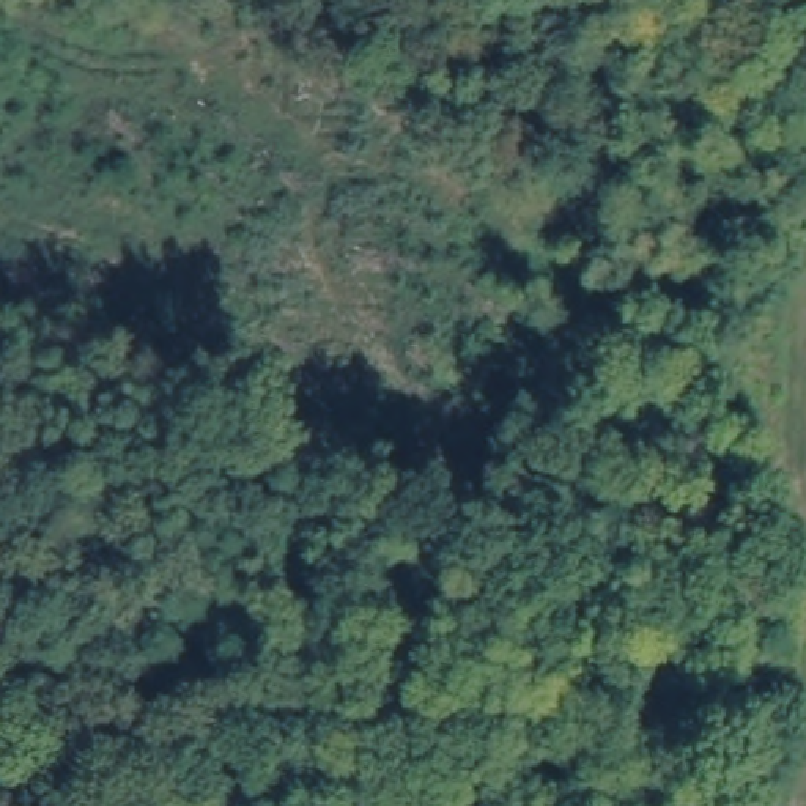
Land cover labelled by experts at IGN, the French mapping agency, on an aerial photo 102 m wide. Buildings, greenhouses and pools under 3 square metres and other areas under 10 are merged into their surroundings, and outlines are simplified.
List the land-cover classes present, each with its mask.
<instances>
[{"label":"deciduous trees","instance_id":"1","mask_svg":"<svg viewBox=\"0 0 806 806\"><path fill-rule=\"evenodd\" d=\"M173 9V19H202L208 25L239 22V28H246L252 38H274L277 47L309 54L321 66L324 88L356 98L368 110H375L394 135L412 145V161L428 164L431 179L457 173V183L469 186L479 202L497 205L504 211L494 230L532 261V283L516 287L523 305L504 318L501 340L516 359V375H529L526 394L516 397L513 412L504 425L497 419L482 422L469 428L466 444H457L447 453L425 441L368 447L365 438H359V419L327 416L318 406L312 384L296 368H283L271 356H236L230 324L217 337H208L195 353L167 346L135 331L98 343L88 331L76 324V318L85 315V305L66 302L60 305V321H38L28 331V324L9 305L13 296L0 290V806H806V523L800 516L803 491L793 485V479L787 472L768 475V453L778 447V441L771 438V425L765 419L775 409L787 406L781 378H787L790 359L787 305L793 302L803 283L806 264V0H164Z\"/></svg>","mask_w":806,"mask_h":806},{"label":"brushwood","instance_id":"2","mask_svg":"<svg viewBox=\"0 0 806 806\"><path fill-rule=\"evenodd\" d=\"M504 211L497 205L479 202L469 186L457 183V173L431 179L428 164L412 161V145L394 135L375 110H368L356 98L324 88L321 66L309 54L277 47L274 38H252L246 28H239V22L208 25L202 19H173V9L164 0H0V290L13 296L9 305L28 324V331L38 321H60V305L66 302L85 305V315L76 318V324L88 331L98 343L135 331L167 346L195 353L208 337H217L230 324L236 356H271L283 368H296L312 384L318 406L327 416L359 419V438H365L368 447L425 441L447 453L457 444H466L469 428L482 422L497 419L504 425L513 412L516 397L526 394L529 375H516V359L501 340L504 318L523 305L516 287L532 283V261L494 230Z\"/></svg>","mask_w":806,"mask_h":806},{"label":"herbaceous vegetation","instance_id":"3","mask_svg":"<svg viewBox=\"0 0 806 806\"><path fill-rule=\"evenodd\" d=\"M790 359L787 378H781L787 406L775 409L765 419L771 425V438L778 441V447L768 453V475L787 472L793 479V485L803 491L800 516L806 523V264L803 283L793 302L787 305Z\"/></svg>","mask_w":806,"mask_h":806}]
</instances>
